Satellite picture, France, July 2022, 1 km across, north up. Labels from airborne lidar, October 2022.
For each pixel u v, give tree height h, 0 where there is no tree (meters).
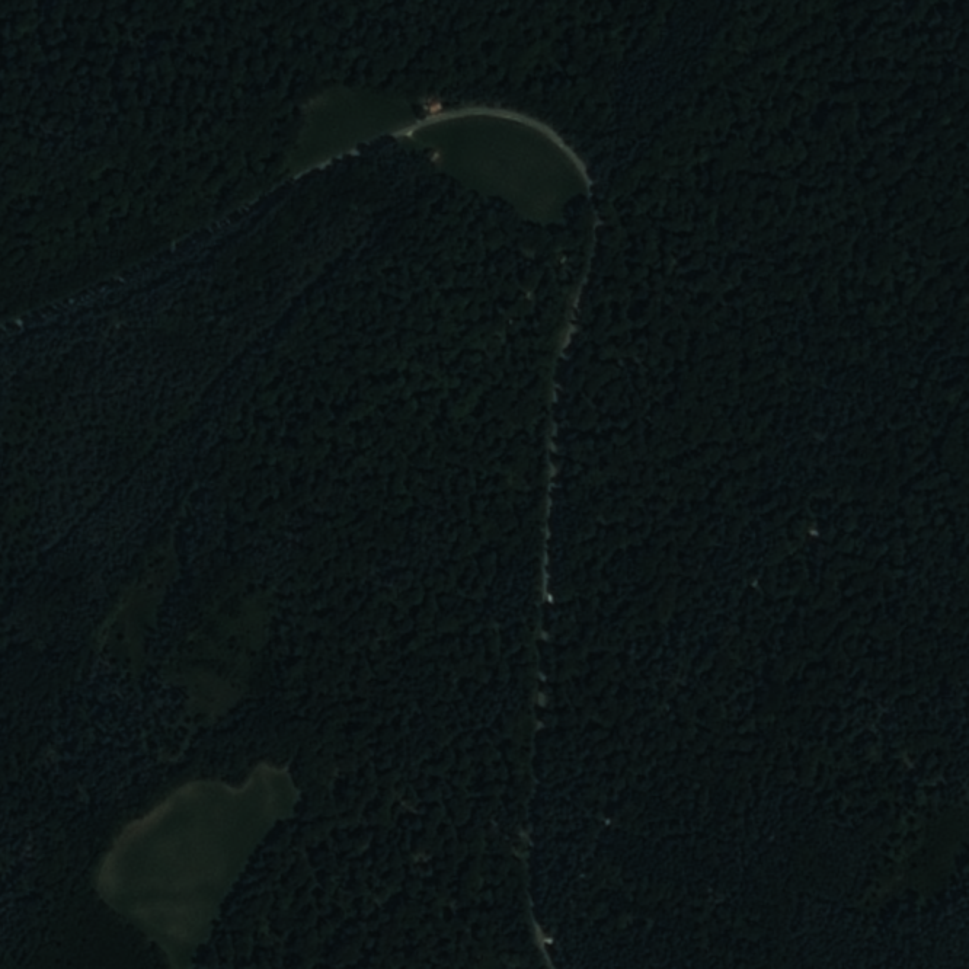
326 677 28
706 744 23
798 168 13
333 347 27
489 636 32
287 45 29
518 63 33
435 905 33
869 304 31
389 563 28
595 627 30
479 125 0
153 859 0
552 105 25
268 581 18
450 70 28
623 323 36
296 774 16
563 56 31
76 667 20
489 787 31
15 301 10
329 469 24
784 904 18
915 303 24
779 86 31
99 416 11
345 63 11
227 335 11
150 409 11
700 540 31
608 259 28
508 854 26
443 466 27
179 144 20
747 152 34
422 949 29
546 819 27
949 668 28
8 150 23
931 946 22
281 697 17
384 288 26
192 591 21
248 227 24
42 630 25
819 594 27
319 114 0
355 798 28
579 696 30
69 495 10
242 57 29
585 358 32
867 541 17
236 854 0
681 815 23
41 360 32
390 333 28
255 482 27
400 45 25
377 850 25
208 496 26
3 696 24
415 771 26
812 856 16
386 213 13
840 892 19
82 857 21
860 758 19
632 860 24
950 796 21
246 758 21
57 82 32
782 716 26
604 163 23
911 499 37
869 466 21
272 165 26
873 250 26
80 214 26
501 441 27
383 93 18
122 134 27
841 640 24
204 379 12
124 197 28
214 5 26
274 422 27
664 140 26
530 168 0
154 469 11
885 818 28
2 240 27
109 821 20
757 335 25
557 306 22
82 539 13
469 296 29
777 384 30
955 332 26
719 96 25
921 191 32
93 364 19
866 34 34
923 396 26
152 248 10
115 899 0
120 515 15
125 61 33
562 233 27
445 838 31
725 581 32
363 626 28
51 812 15
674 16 27
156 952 19
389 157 18
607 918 24
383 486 23
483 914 27
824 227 26
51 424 9
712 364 24
